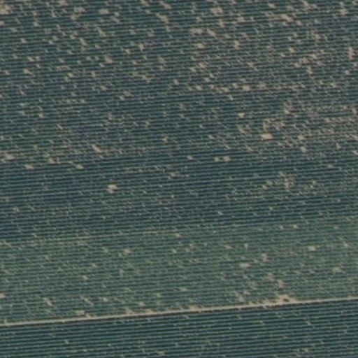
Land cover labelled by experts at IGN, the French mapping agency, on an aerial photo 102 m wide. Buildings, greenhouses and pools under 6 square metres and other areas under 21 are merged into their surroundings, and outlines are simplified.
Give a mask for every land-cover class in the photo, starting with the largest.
<instances>
[{"label":"vineyard","instance_id":"1","mask_svg":"<svg viewBox=\"0 0 358 358\"><path fill-rule=\"evenodd\" d=\"M0 358H358V0H0Z\"/></svg>","mask_w":358,"mask_h":358}]
</instances>
